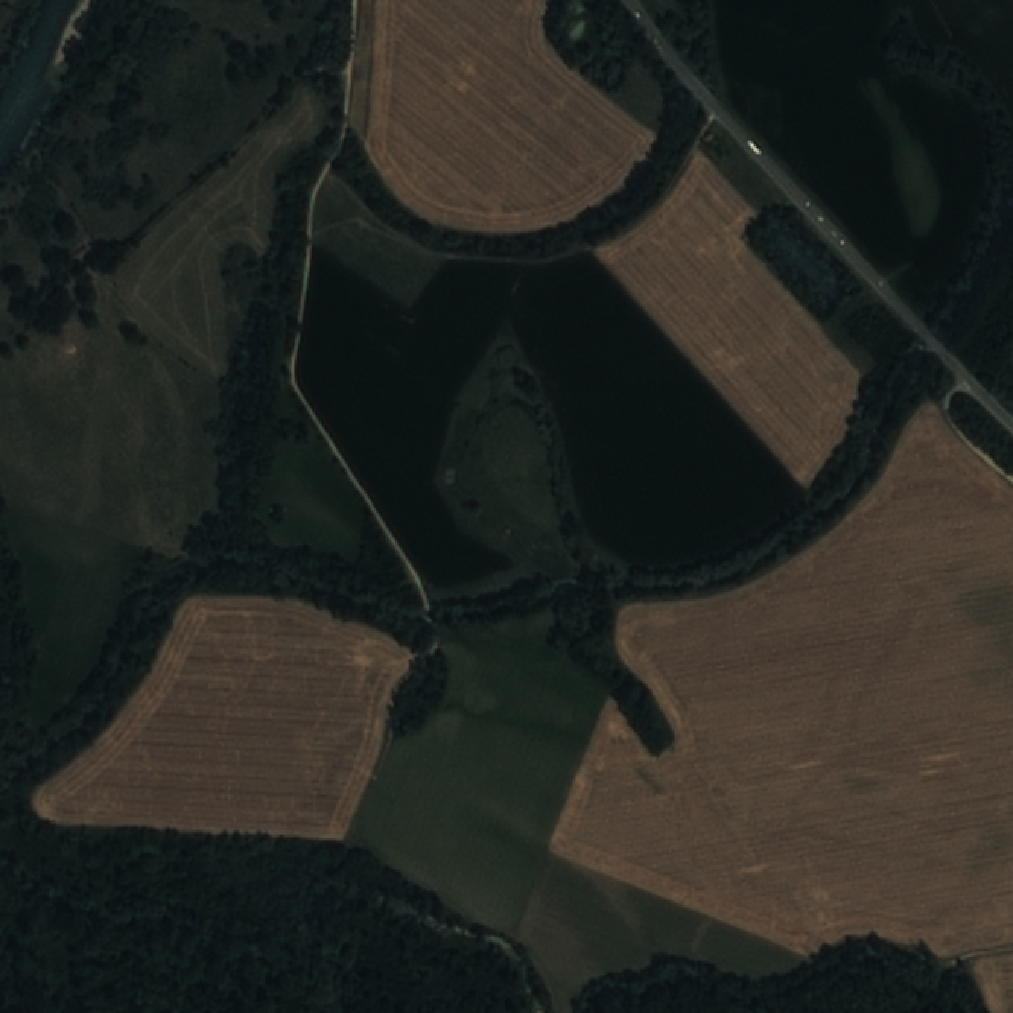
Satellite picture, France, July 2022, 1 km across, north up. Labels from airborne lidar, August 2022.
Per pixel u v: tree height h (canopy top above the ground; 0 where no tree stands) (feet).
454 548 0
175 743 0
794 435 0
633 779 0
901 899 0
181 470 0
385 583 31
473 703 0
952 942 0
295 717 0
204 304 0
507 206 0
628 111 0
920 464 0
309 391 0
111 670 43
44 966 104
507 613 49
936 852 0
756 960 0
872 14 0
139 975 47
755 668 0
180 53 0
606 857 0
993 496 0
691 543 0
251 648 0
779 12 0
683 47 53
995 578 0
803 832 0
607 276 0
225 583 29
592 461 0
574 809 0
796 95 0
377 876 42
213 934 31
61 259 60
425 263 0
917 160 0
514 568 0
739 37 0
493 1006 20
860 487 39
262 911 41
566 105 0
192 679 0
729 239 0
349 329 0
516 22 0
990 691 0
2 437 0
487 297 0
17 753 38
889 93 0
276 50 50
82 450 0
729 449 0
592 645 64
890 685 0
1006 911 0
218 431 61
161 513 0
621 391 0
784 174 0
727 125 0
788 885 0
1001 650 0
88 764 0
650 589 22
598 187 0
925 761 0
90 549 0
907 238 0
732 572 34
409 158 0
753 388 0
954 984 67
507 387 0
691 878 0
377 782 0
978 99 52
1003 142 60
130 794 0
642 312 0
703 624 0
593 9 91
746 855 0
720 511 0
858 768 0
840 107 0
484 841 0
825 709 0
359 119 0
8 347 48
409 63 0
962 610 0
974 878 0
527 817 0
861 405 35
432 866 0
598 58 43
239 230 0
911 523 0
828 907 0
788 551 48
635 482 0
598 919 0
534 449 0
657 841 0
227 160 33
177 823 0
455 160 0
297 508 0
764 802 0
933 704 0
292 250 61
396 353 0
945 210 0
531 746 0
